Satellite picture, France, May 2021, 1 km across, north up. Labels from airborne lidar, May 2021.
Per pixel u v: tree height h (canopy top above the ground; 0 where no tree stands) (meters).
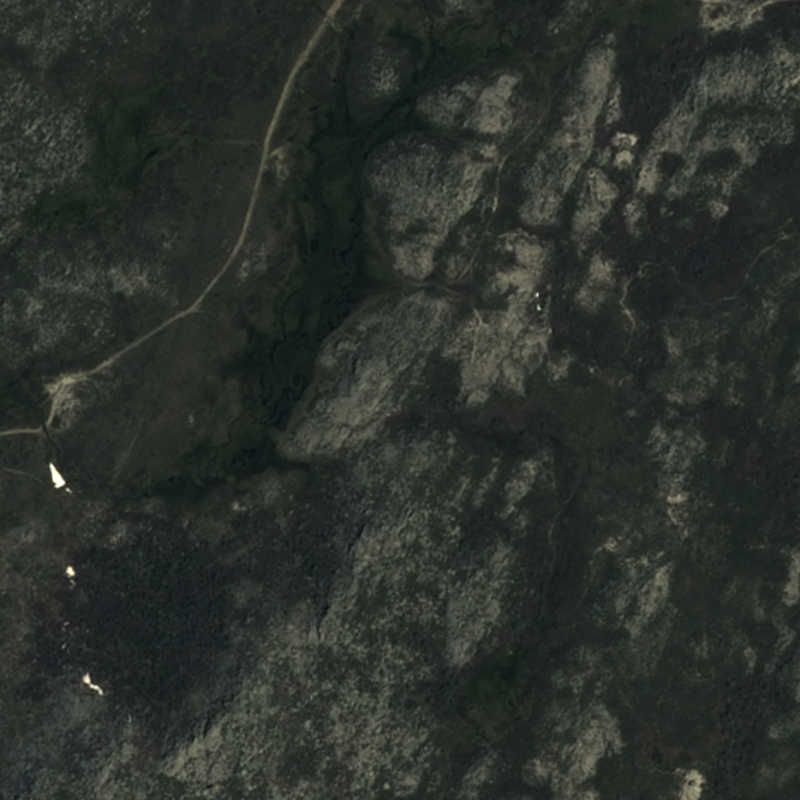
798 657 0
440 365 0
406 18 0
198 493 0
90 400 0
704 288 0
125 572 6
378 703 6
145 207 0
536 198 0
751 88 0
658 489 0
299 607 0
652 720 0
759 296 0
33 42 0
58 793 0
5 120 0
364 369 0
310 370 0
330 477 0
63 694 0
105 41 0
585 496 0
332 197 0
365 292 0
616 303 0
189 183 0
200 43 0
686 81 0
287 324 0
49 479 0
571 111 0
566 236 0
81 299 0
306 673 0
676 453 0
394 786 0
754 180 0
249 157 0
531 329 0
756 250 0
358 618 0
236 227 0
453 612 0
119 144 0
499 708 0
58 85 0
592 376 0
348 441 0
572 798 0
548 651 0
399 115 0
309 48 0
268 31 0
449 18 0
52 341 0
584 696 0
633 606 0
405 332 0
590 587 0
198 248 0
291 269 0
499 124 0
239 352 0
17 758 0
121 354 0
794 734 0
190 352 0
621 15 0
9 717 0
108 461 0
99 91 0
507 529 0
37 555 0
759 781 0
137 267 0
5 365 0
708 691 0
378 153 0
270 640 0
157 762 0
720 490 0
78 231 0
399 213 0
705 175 0
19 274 0
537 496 0
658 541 0
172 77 0
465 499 0
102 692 0
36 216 0
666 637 0
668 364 0
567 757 0
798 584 0
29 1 0
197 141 0
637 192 0
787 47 0
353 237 0
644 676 0
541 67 0
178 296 0
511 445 0
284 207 0
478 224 0
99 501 0
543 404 0
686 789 0
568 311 6
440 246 0
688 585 0
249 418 0
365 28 0
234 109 0
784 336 0
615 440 0
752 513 0
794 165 0
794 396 0
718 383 0
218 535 0
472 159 0
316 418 0
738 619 0
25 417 0
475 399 0
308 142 0
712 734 0
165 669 6
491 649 0
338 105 0
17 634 0
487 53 0
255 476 0
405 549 0
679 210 0
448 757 0
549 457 0
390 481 0
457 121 0
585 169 0
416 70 0
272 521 0
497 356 0
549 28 0
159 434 0
